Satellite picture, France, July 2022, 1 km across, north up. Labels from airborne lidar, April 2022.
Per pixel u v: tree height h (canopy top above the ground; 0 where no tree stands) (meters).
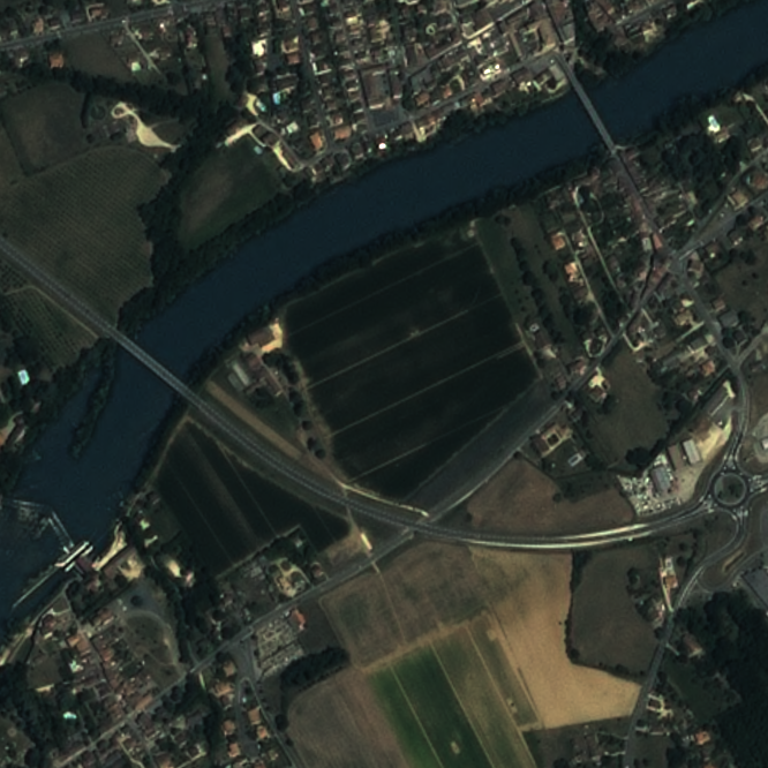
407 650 0
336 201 0
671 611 0
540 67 0
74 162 0
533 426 0
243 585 0
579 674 0
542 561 0
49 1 10
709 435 0
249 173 0
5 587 0
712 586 0
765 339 0
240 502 0
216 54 0
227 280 0
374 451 0
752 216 12
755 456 0
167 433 10
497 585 0
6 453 15
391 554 0
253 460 0
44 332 0
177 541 7
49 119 0
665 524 0
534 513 0
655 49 0
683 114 30
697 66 0
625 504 0
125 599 0
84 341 0
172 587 9
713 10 16
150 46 0
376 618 0
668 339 0
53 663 0
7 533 0
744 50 0
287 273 0
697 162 19
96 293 0
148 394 0
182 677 0
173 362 0
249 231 23
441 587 0
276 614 0
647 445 0
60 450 0
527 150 0
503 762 0
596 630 0
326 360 0
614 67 29
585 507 0
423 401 0
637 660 0
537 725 0
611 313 10
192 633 8
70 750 0
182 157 7
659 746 0
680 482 0
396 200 0
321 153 0
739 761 7
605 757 6
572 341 0
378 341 0
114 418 0
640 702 0
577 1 10
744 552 0
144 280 0
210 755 12
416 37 8
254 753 0
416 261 0
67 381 11
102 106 0
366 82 0
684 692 0
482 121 14
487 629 0
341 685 0
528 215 0
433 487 0
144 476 11
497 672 0
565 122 0
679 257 0
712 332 0
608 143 0
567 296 8
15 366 16
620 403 0
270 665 0
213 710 13
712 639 9
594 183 0
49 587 0
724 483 0
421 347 0
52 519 0
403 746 0
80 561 0
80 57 0
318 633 0
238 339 9
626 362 0
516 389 0
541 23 0
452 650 0
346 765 0
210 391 0
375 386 0
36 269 0
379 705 0
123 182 0
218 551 0
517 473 0
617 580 0
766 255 0
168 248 22
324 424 0
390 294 0
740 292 0
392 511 0
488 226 0
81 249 0
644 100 0
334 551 0
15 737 0
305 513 0
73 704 14
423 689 0
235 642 0
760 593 0
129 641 0
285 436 0
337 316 0
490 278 0
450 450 0
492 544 0
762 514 0
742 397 0
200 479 0
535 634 0
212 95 9
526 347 0
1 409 27
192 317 0
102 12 0
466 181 0
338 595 0
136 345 0
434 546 0
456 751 0
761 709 7
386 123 0
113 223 0
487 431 0
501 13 0
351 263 13
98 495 0
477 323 0
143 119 10
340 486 0
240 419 0
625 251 0
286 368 17
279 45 6
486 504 0
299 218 0
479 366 0
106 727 0
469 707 0
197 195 0
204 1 0
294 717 0
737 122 0
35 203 0
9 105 0
